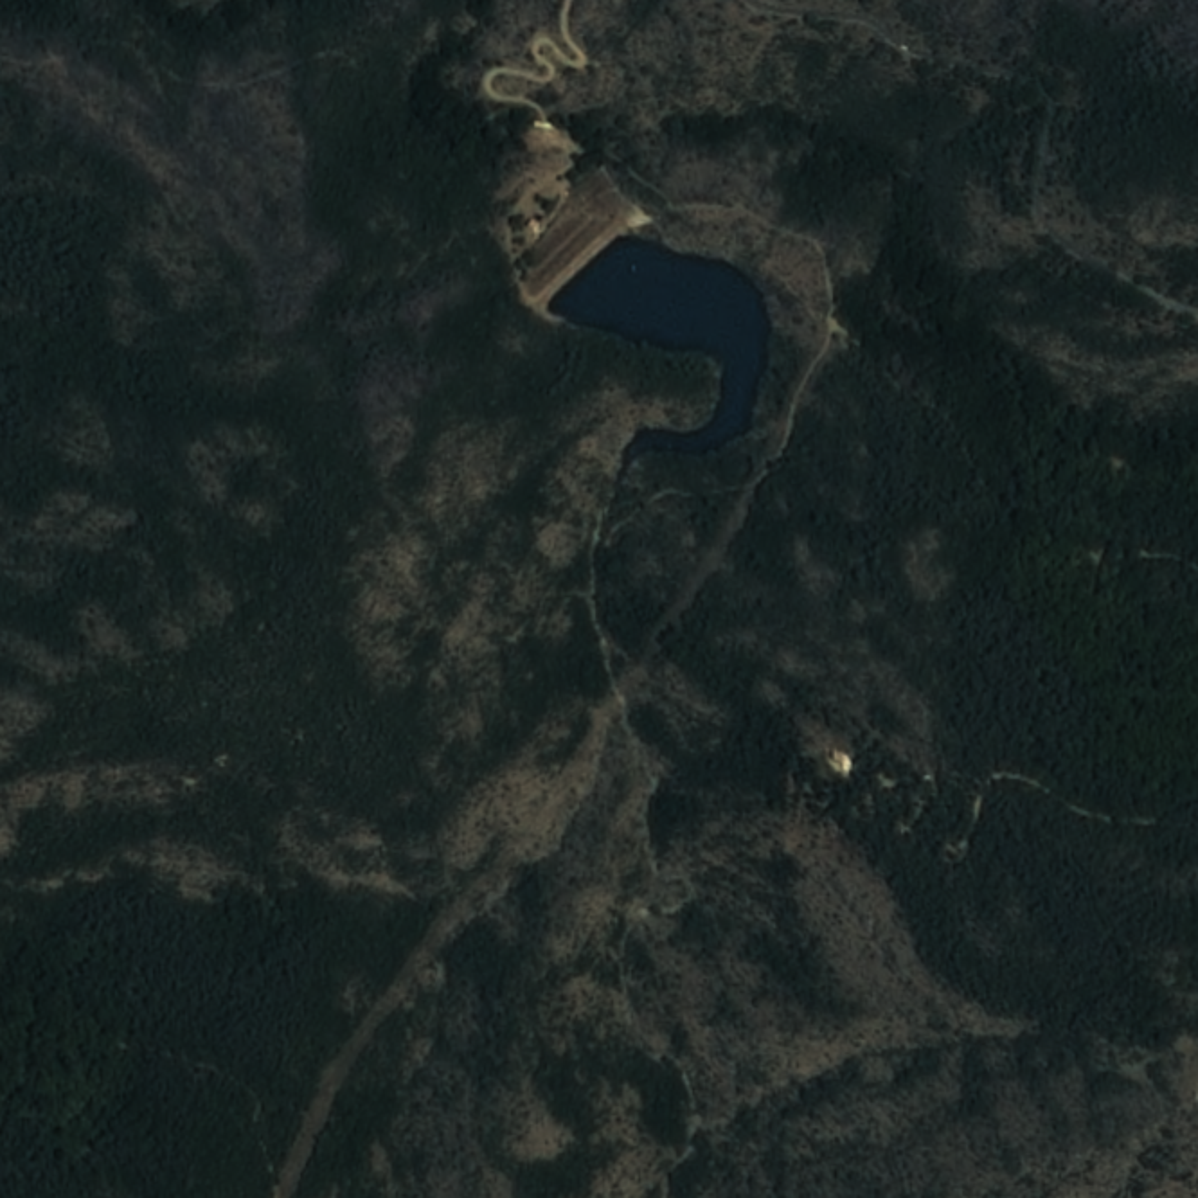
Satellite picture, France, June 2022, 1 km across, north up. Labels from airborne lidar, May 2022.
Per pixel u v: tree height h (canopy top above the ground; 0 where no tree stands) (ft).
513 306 20
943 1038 18
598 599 34
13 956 22
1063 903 53
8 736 0
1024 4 52
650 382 26
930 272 56
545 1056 21
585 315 0
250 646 26
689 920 23
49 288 51
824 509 22
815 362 0
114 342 25
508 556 19
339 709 37
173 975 57
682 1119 22
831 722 21
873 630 17
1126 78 20
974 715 42
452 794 23
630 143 30
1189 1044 0
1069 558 30
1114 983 41
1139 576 38
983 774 44
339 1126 37
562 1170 25
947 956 21
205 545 21
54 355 24
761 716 22
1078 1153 0
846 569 20
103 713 31
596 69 22
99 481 20
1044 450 30
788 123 32
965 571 20
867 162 42
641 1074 24
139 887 22
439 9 20
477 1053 19
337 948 21
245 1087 30
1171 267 18
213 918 19
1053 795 22
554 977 19
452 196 27
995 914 20
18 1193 21
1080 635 52
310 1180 25
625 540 20
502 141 25
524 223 36
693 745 20
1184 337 22
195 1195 21
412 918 22
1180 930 21
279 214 21
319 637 36
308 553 22
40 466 35
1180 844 31
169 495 18
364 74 20
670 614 30
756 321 0
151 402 38
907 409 60
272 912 24
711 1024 22
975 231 0
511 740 31
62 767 33
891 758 30
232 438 0
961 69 35
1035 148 22
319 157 23
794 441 22
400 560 0
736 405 0
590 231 0
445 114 69
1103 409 39
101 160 17
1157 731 43
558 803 0
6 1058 49
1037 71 33
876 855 28
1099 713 37
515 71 0
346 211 19
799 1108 19
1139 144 18
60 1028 29
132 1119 43
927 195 18
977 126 18
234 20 50
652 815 19
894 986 0
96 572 20
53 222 31
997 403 44
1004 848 40
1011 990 28
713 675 20
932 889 25
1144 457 56
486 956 20
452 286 42
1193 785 32
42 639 20
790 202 21
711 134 29
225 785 25
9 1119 38
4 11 28
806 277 0
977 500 52
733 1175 22
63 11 19
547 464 21
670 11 31
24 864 26
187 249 0
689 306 0
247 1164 27
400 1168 18
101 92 0
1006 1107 0
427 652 20
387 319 42
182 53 21
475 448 0
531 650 24
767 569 18
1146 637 20
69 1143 31
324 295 21
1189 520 45
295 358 20
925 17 25
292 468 19
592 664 20
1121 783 49
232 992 55
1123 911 32
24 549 21
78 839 33
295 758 25
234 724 29
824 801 39
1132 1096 0
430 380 18
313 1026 33
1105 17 18
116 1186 22
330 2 19
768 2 0
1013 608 67
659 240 0
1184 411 34
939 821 31
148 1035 32
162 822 35
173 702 20
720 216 0
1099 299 32
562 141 0
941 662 18
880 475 32
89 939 33
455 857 0
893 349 42
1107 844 19
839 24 24
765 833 18
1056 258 19
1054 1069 21
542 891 20
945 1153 0
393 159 35
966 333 65
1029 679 57
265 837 47
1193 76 47
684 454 19
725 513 29
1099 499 24
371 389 47
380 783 23
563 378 42
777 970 22
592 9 0
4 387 50
